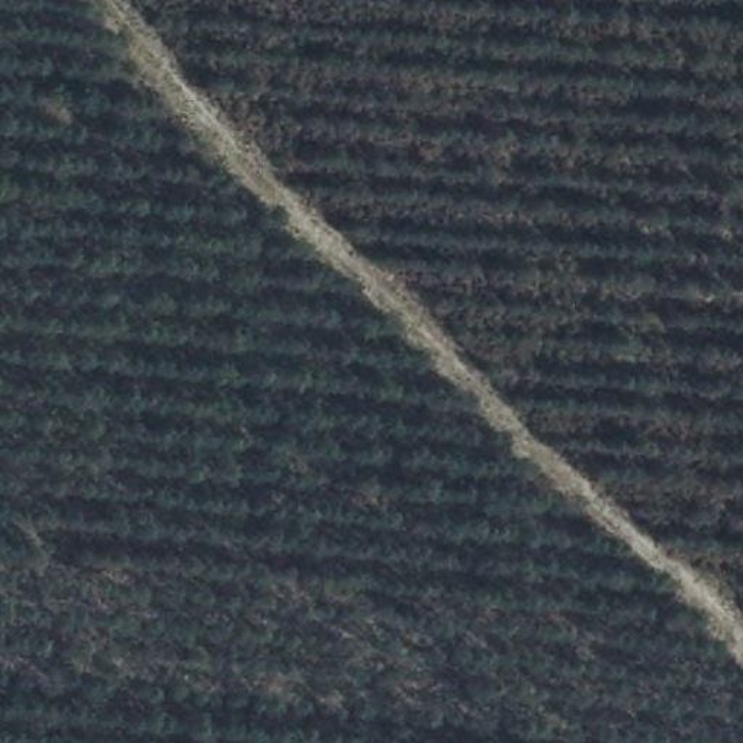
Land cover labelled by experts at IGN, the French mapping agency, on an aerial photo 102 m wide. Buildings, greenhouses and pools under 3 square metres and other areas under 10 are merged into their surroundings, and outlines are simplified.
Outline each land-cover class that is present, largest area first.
<instances>
[{"label":"brushwood","instance_id":"1","mask_svg":"<svg viewBox=\"0 0 743 743\"><path fill-rule=\"evenodd\" d=\"M90 17L104 23L102 0H0V23L52 26L73 32H81ZM488 6H543L560 12H598L595 26H557L546 20L499 23L490 17H473L470 23L444 32L447 38L580 44L592 46V55L566 61L531 55L496 58L482 52L461 55L459 49L432 46L357 44L366 29L435 35L438 15H395L392 9L351 12L340 6V0H212L189 3L186 17L244 20L247 26L241 35L168 32L160 38V44L171 52L180 75L200 93L209 81H250L255 87H284L290 75V70L284 67H209V49H250L305 58L334 55L366 58L377 64H421L453 70H525L534 75H615L641 81H697L717 87H743V0H630L627 15L731 20L726 26V35H688L612 29L609 12L615 9V0H453ZM615 46L676 49L682 55V64H615L607 61L609 49ZM0 55L52 61V73L46 75L20 70L0 73V87H32L38 93L52 96V90H67L148 102L154 90L134 81L67 75L70 61L99 67L104 49L99 46L0 41ZM514 104L650 116L691 113L702 119H728V134L717 136L691 131H636L592 125L586 136V151L569 160L557 151L534 154L528 151V142L531 136L572 139V125L520 119L514 116ZM241 142L258 145V151L273 165V177L296 192L299 186H340L351 192H430L479 200L511 197L520 203H557L563 209V218L557 223H517L511 218H456L444 209H424L421 215H395L372 203H348L345 209L334 206L322 215V221L342 235L348 226H377L398 232L514 235L528 241H549L546 255L389 241H360L354 250L366 261L377 264L380 258L479 264V276L473 282H427L424 276H415L406 284V290L415 293L418 302L427 308V316L453 340L456 354L470 369L482 372L490 389L511 406L522 398H549L575 403L670 406L743 415V398H708L702 395V383H743V334L705 328H665L662 316L711 313L743 319V235H702L694 229L670 226L641 232V226L644 218L656 209L673 215L717 218L723 189L728 183H743V165L717 168L708 163H697L694 148L728 154L743 148V104L702 102L697 96H624L595 90L563 93L557 87L528 90L520 84H435L432 75L427 81L392 75H313L305 102L229 96V107L221 113ZM313 116H322L328 122L351 119L380 125H412V134L403 145L366 136L322 139L319 134H311ZM447 128H470L488 134L514 131V145L505 151H467L464 145H441L435 134ZM621 142L673 145L676 151L670 160L659 163L618 160L612 157V145ZM337 154L363 157L366 171H313V157ZM383 160H409L421 168H496L499 183L412 180L403 174L380 177ZM673 180L708 183V189L702 197H668L662 194V183ZM583 206H621L624 221L583 223ZM586 241L636 247H688L694 250L691 261H653V279L705 284L728 282L734 284V290L728 299H711V293L702 287L694 299H665L653 293L601 296L604 273L633 276L636 261L589 258L583 253ZM493 267L569 270L572 276L569 284L560 287H508L502 282H493ZM514 305H546L554 311V322L517 319ZM627 337H636L641 345L650 342L731 348L734 363L699 366L668 360L641 363L639 357H592L595 340ZM551 372L668 377L670 389L630 392L601 386H554ZM9 116L29 119L38 125H52L55 119H61L87 128V142L17 136L12 148L17 154L32 157L99 160L110 154L113 134L154 131L163 136V145L157 151H125L122 163H145V174L136 180L99 177L96 171L64 177L52 171L0 165V180H12L17 186H44L52 192L75 189L102 197V212L35 206L17 197L0 200V215H20L29 223H110L177 235L194 232L215 238L258 235V241L270 244H284L293 235L287 212L282 206H264L250 189H244L235 192V197L244 209V221L223 223L212 218H168L171 203H212L221 194V189L215 186V171L223 165L215 145H209L200 136V131L189 128L186 122H180V116H174L134 119L81 110L73 116L64 99L52 96L46 110L23 102H0V122ZM163 165H189L197 171V180L168 183L163 180ZM41 250L52 253V264L32 270L35 284L99 293L119 290L134 299V311L122 305H55L46 299L29 302L0 296V313L128 322L168 331H244L253 337L308 340L319 345H354L360 351H401L406 342L403 337H366L354 328L357 316L377 319L380 311L363 296H345L334 290L232 287V270L308 276L316 273L325 261L319 253L313 258H270L194 250L192 261L215 264V279L116 273L96 276L70 267L73 253H110L119 258L168 261L171 247L90 235H44ZM238 305H302L308 311L331 308L340 313V325L325 328L296 322H253L235 316ZM0 348H49L70 354L67 369L17 366L0 360V380L23 386L52 383L64 389L99 386L104 392H148L180 401L194 398L200 403H270L276 409L296 412H372L398 421H430L450 424L459 430H479V444H470L444 441L435 435H392L360 430L351 432L337 427L340 461L313 459L311 473H325L328 479L322 488L311 490H296L279 482H194L180 476H142L134 470H119L116 476L122 488H157L186 493L192 499H244L247 517L183 511L165 508L160 502H104L87 496H55V467L17 464L0 459V508L58 514V525L46 528L44 534L35 528L32 520H26L20 528L12 522H0V540L20 543L23 537H29L32 546H52V557L64 566L81 563V551L107 554H116L212 557L215 563H250L264 566L270 572L293 569L296 580L305 583L311 575H372L403 583L441 586H456L461 592L511 589L514 595H563V578L525 580L522 575L453 572L412 566L401 560L386 563L354 557H313L302 551L215 546L206 540H134L122 534L75 531L73 517L87 514L131 517L134 522L212 525L218 531L293 534V517L273 520L255 514V505L264 499L302 502L311 508L340 505L363 514H401L398 528L316 522L313 537L319 540H354L366 546L398 543L456 557L531 563L560 560L578 569L633 575V589L589 586L580 589L578 601L653 607V621H609L575 609L537 612L479 607L473 618L476 621H522L531 624V636L540 641H557V624L598 630V641L615 647V636H659L676 615L682 601L679 580H673L668 572L650 569L633 551L630 557H618L551 543L528 546V531L537 528L589 534L598 525L586 514L485 511L488 493L531 496L537 490H546L551 482L540 470L537 476H470L438 467H406V456L415 450H430L435 456H464L476 461L508 459L514 453L511 435L493 430L488 418L479 412H453L430 409L424 403L383 401L377 398L380 372L363 363H342L308 354L215 351L200 345L128 342L41 331L0 334ZM113 357L174 360L192 366H235L244 372H319L331 377L357 380L351 392L340 395L313 389H258L215 380H171L163 374H119L110 372ZM366 479L398 485L438 482L441 488H473L476 499L461 505L380 496L369 499L360 493V485ZM447 520L514 525L517 540L488 543L467 537L459 543L447 537H415L418 522ZM441 377L435 369H395V383L412 389H435ZM90 424H145L157 432L206 430L212 435H238V424L212 415H157L113 406L78 409L55 401L0 395V444L99 453L93 447V438L87 435ZM531 438L551 447L569 438L653 441L656 456L569 453L566 459L578 473H583L592 482L604 467L644 470L647 476L639 488L607 485L601 490L615 508L627 514V520L641 534L662 546L668 557H676L685 566H691L723 601H728L743 615V464L723 467L699 459L676 461L668 459V450L673 444H699L720 450H743V432L702 427L673 430L650 421L578 415H528L522 421ZM250 435H253V438H270L273 444H276L279 438H284V424H279V421H253V424H250ZM110 456H151L163 461H189V447L154 441H116ZM206 639L154 636V624L139 621L136 633L125 639L122 650L151 647L163 653H177V659H194L197 653H203ZM430 679L427 688H421L418 699L432 708H441V723H456L467 728L482 717H496V699L485 697L482 688L476 691L461 668L447 662L427 668ZM572 676L546 670L534 676L531 688L549 691V699H554V691L569 688ZM0 702H41L49 708H84L96 714L119 711L122 717L116 728L75 723H58L46 728L49 740L70 737L104 743H247L229 737L203 740L192 734L160 731L136 734L134 720L148 717V702L142 699L136 694L116 691L113 679L87 682L64 679L58 673H52L44 685L26 679H6V685H0ZM163 711L174 720H200L197 697L189 694L180 699L177 688L163 691ZM212 723L238 720L276 731L313 728L319 731L316 743H331L334 734H366L386 740L392 734V720H363L360 711L340 705L331 711L328 705H322L311 714H299V708H287L284 699L273 694L218 699L215 714L209 717Z\"/></svg>","mask_w":743,"mask_h":743},{"label":"coniferous trees","instance_id":"2","mask_svg":"<svg viewBox=\"0 0 743 743\"><path fill-rule=\"evenodd\" d=\"M131 9H136L160 38L168 32L241 35L247 26L244 20L186 17L189 3L212 0H128ZM340 6L351 12L392 9L395 15H438L435 35L366 29L357 44L432 46L459 49L461 55L482 52L496 58L531 55L566 61L592 55V46L580 44L447 38L444 32L470 23L473 17H490L499 23L546 20L557 26H595L598 12H560L543 6H488L453 0H340ZM630 0H615V9L609 12L612 29L688 35H726V26L731 20L627 15ZM0 41L99 46L104 49L99 67L70 61L67 75L134 81L139 67L131 61L128 32H110L104 29V23L90 17L81 32H73L52 26L0 23ZM607 61L615 64H682V55L676 49L615 46L609 49ZM209 67H284L290 70V75L284 87H255L250 81H209L200 93L221 113L229 107V96L305 102L313 75H392L427 81L432 75L435 84H520L528 90L557 87L563 93L595 90L624 96H697L702 102L743 104V87H717L697 81H641L615 75H534L525 70H453L421 64H377L366 58L334 55L305 58L250 49H209ZM20 70L46 75L52 73V61L0 55V73ZM0 102H23L46 110L52 96L38 93L32 87H0ZM52 96L64 99L73 116L81 110L134 119L174 116L171 104H165V99L154 90L148 102L67 90H52ZM514 116L520 119L572 125V139L531 136L528 142V151L534 154L557 151L569 160L586 151V136L592 125L636 131H691L717 136L728 134V119H702L691 113L650 116L514 104ZM17 136L87 142V128L61 119H55L52 125H38L29 119L9 116L0 122V165L52 171L64 177L96 171L99 177L136 180L145 174V163H122L125 151H157L163 145V136L154 131L113 134L110 154L99 160L32 157L17 154L12 148ZM311 134H319L322 139L366 136L403 145L412 134V125H380L351 119L328 122L322 116H313ZM441 145H464L467 151H505L514 145V131L488 134L470 128H447L435 134ZM676 151L673 145L621 142L612 145V157L618 160L659 163L670 160ZM697 163H708L717 168L743 165V148L728 154L694 148ZM313 171H366L363 157L337 154L313 157ZM403 174L412 180L499 183L496 168H421L409 160H383L380 177ZM163 180L168 183L197 180V171L189 165H163ZM215 186L221 189V194L212 203H171L168 218H212L223 223L244 221V209L235 197V192L244 189L241 180L229 174L223 165L215 171ZM17 197L35 206L102 212V197L75 189L52 192L44 186H17L12 180H0V200ZM708 189V183L673 180L662 183V194L668 197H702ZM670 226L694 229L702 235H743V183H728L723 189L717 218L673 215L656 209L644 218L641 226V232ZM305 209H316L322 215L334 206L345 209L348 203H372L395 215H421L424 209H444L456 218H511L517 223H557L563 218V209L557 203H520L511 197L479 200L430 192H351L340 186H299L296 192ZM583 223L624 221L621 206H583ZM44 235H90L171 247L168 261L119 258L110 253H73L70 267L96 276L116 273L215 279V264L192 261L194 250L270 258H313L319 253L311 241L293 235L284 244H270L258 241V235L215 238L194 232L177 235L110 223H29L20 215H0V296L29 302L46 299L55 305H122L134 311V299L119 290L99 293L35 284L32 270L52 264V253L41 250ZM345 244L354 250L360 241H389L546 255L549 241H528L514 235L398 232L377 226H348L342 235ZM583 253L589 258L636 261L633 276L604 273L601 296L653 293L665 299H694L702 287L711 293V299H728L734 290V284L728 282L705 284L653 279V261H691L694 250L688 247H636L586 241ZM383 270L398 273L406 284L415 276H424L427 282H473L479 276V264L380 258L377 264ZM232 287L334 290L345 296H363V284L354 276H342L325 261L316 273L308 276L232 270ZM572 276L569 270L493 267V282H502L508 287H560L569 284ZM235 316L253 322H296L325 328L340 325V313L331 308L308 311L302 305H238ZM517 319L554 322V311L546 305H514ZM354 328L366 337H403V322L392 311H380L377 319L357 316ZM41 331L128 342L200 345L215 351L308 354L342 363H363L380 372L377 398L383 401L424 403L430 409L453 412H479V401L473 392H464L453 380L441 377L435 389H412L395 383V369H435L432 354L427 348L406 342L401 351H360L354 345H319L308 340L253 337L244 331H168L128 322L0 313V334ZM665 328H705L743 334V319L711 313L662 316ZM592 357H639L641 363L668 360L699 366L734 363L731 348L650 342L641 345L636 337H627L595 340ZM0 360L17 366L67 369L70 354L49 348H0ZM110 372L119 374H163L171 380H215L258 389H313L340 395L351 392L357 380L331 377L319 372H244L235 366H192L174 360L113 357ZM554 386H601L630 392L670 389L668 377L551 372ZM0 395L55 401L78 409L113 406L157 415H212L238 424V435H212L206 430L157 432L145 424H90L87 435L93 438V447L99 453L0 444V459L17 464L55 467V496H87L104 502H160L165 508L183 511L247 517L244 499H192L186 493L157 488H122L116 476L119 470H134L142 476H180L194 482H279L296 490H311L322 488L328 479L325 473H311L313 459L340 461L337 427L351 432L360 430L392 435H435L444 441L470 444H479V430H459L450 424L430 421H398L372 412H296L276 409L270 403H200L194 398L180 401L148 392H104L99 386L64 389L52 383L23 386L0 380ZM253 421H279V424H284V438H279L276 444H273L270 438H253V435H250V424H253ZM116 441H154L189 447V461H163L151 456H110ZM702 395L708 398H743V383H702ZM522 421L528 415H578L650 421L673 430L702 427L743 432V415L670 406L575 403L549 398H522L511 406ZM557 456L566 459L569 453L656 456L653 441L569 438L551 447ZM668 459L676 461L699 459L723 467L743 464V450H720L699 444H673L668 450ZM406 467H438L470 476H537L540 470V464L520 459L514 453L508 459L476 461L464 456H435L430 450H415L406 456ZM647 476L644 470L604 467L592 482L595 490H601L607 485L639 488ZM360 493L369 499L380 496L461 505L476 499L473 488H441L438 482L398 485L366 479L360 485ZM485 511L586 514V499L580 493H560L551 482L546 490H537L531 496L488 493ZM255 514L273 520L293 517V534L218 531L212 525L134 522L131 517L87 514L73 517L75 531L122 534L134 540H206L215 546L302 551L313 557H354L386 563L401 560L412 566L453 572L522 575L525 580L563 578V595H514L511 589L461 592V601L467 607H479L537 612L575 609L609 621H653V607L578 601L580 589L589 586L633 589V575L578 569L560 560L531 563L456 557L398 543L366 546L354 540H319L313 537L316 522L398 528L401 514H363L340 505L311 508L302 502L264 499L255 505ZM26 520H32L35 528L44 534L46 528L58 525V514L0 508V522H12L20 528ZM415 537H447L459 543L467 537L488 543L517 540L514 525L447 520L418 522ZM551 543L618 557H630L633 551L621 537L598 525L589 534L537 528L528 531V546ZM52 546H32L29 537H23L20 543L0 540V557L17 560L29 569H41L52 557ZM107 554L81 551V563L99 566V572L81 578V592H104L119 601L148 604V589L131 586V580L116 583L102 578V560ZM113 563H119L125 575L157 572L163 580L160 595L168 604L194 601L200 607H212L215 595L200 592L209 578L253 580L258 586H287L296 580L293 569L270 572L264 566L250 563H215L212 557L116 554ZM305 583L319 586L325 592L377 589L403 598H435L441 586L403 583L372 575H311ZM615 647L656 650L670 656L694 653L699 659H714L720 673H714L711 679L708 697L702 699V714L726 720L743 717V668L726 647V641L708 636V612L697 604L682 601L676 615L659 636H615ZM461 621L456 615H418L392 609V627L432 630L444 636H453ZM154 636L206 639L203 653H197L194 659V668L206 673L232 670L264 676L270 670H284V676L293 682H366V670L360 665L319 668L261 662L270 644L284 650L299 647V636L282 633L276 627L238 630L226 621L154 624ZM488 630V636H531V624L522 621H476ZM557 641L580 647L598 641V630L557 624ZM0 647L15 650L17 656H49L52 644L41 636L0 633ZM386 656L398 662V673L383 676V688L395 691L401 685L415 682L421 688H427L430 679L427 668L447 662L461 668L476 691L482 688L485 697L496 699H549V691L531 688L534 676L546 670L572 676L569 688L554 691V699L569 702L575 708L618 705L630 711H656L668 720H676L679 688L702 685L699 673L636 670L601 662H563L534 653H479L470 647L447 656L441 650L415 653L403 650L398 639L386 641ZM142 699L148 702V717L134 720L136 734L160 731L192 734L203 740L229 737L247 743H316L319 731L313 728L276 731L238 720L212 723L209 717L215 714L218 699L197 697L200 720H174L163 711V691L148 688ZM122 717L119 711L96 714L84 708H49L41 702H0V743H104L70 737L49 740L46 728L58 723H75L116 728ZM363 720H392V734L386 740L366 734H334L331 743H415L412 731L418 726L441 723V708H432L427 717L418 711H395L377 705H363L360 711ZM511 731L517 737L546 740L551 737V720H540L514 723ZM598 740L604 743H670V734L653 728L601 726Z\"/></svg>","mask_w":743,"mask_h":743},{"label":"herbaceous vegetation","instance_id":"3","mask_svg":"<svg viewBox=\"0 0 743 743\"><path fill-rule=\"evenodd\" d=\"M116 554H107L102 560V578L116 583L131 580V586L148 589V604L119 601L104 592H81V578L99 572V566L81 563L64 566L52 557L41 569H29L17 560L0 557V633L41 636L52 644L49 656H17L15 650L0 647V685H6V679H26L44 685L52 673H58L64 679L87 682L113 679L116 691L136 694L142 699L148 688L163 691L177 688L180 699L189 694L197 697L218 699L273 694L284 699L287 708H299V714H311L322 705H328L331 711L340 705L360 711L363 705H377L395 711H418L427 717L432 708L418 699L421 688L415 682L401 685L395 691L383 688V676L398 673V662L386 656V641L398 639L403 650L415 653L441 650L447 656L470 647L479 653H534L563 662H601L636 670L699 673L702 685L679 688L676 720H668L656 711H630L618 705L575 708L569 702L554 699H496V717H482L467 728L456 723H441L418 726L412 731L415 743H604L598 740L601 726L653 728L670 734V743H743V717L726 720L702 714V699L708 697L711 679L714 673H720L714 659H699L694 653L670 656L656 650L615 647L598 641L580 647L557 641H540L531 636H488V630L476 621L473 618L479 607H467L461 601V592L456 586H441L435 598H403L377 589L325 592L319 586L305 583L296 580L287 586H258L253 580L209 578L200 592L215 595L212 607H200L194 601L168 604L160 595L163 580L157 572L125 575L119 563H113ZM392 609L418 615H456L461 621L453 636H444L432 630L392 627ZM139 621L154 624L226 621L238 630L276 627L282 633L299 636V647L284 650L270 644L261 662L319 668L360 665L366 670V682H293L284 676V670H270L264 676L232 670L206 673L194 668V659H177V653H163L151 647L122 650L125 639L136 633ZM540 720H551V737L546 740L517 737L511 731L514 723Z\"/></svg>","mask_w":743,"mask_h":743},{"label":"bare soil","instance_id":"4","mask_svg":"<svg viewBox=\"0 0 743 743\"><path fill-rule=\"evenodd\" d=\"M104 23V29L110 32H128L131 61L139 67L134 81L154 90L165 99V104H171L174 116H180V122H186L189 128L200 131V136L209 145H215L223 165L229 174L241 180L244 189H250L264 206H282L287 212L293 235L311 241L319 253L325 261L342 276H354L363 284V296L380 311H392L403 322V337L406 342L427 348L432 354L435 369L441 377L453 380L464 392H473L479 401V412L488 418L493 430L511 435L514 453L520 459L540 464V470L551 482L560 493H580L586 499V514L598 525L621 537L633 551L650 569L668 572L673 580H679L682 601L697 604L708 612V636L726 641V647L743 668V615L728 601H723L691 566H685L676 557H668L662 546L641 534L627 520V514L615 508L601 490H595L592 482L583 473H578L566 459L557 456L551 447L531 438L522 421L511 406L490 389L482 372L470 369L456 354L453 340L427 316V308L418 302L415 293L406 290V284L398 273L383 270L377 264L366 261L354 250L345 244L342 235L322 221V215L316 209H305L296 192L273 177V165L258 151V145L241 142L221 113L200 93L180 75L171 52L160 44V38L136 9H131L128 0H102Z\"/></svg>","mask_w":743,"mask_h":743}]
</instances>
